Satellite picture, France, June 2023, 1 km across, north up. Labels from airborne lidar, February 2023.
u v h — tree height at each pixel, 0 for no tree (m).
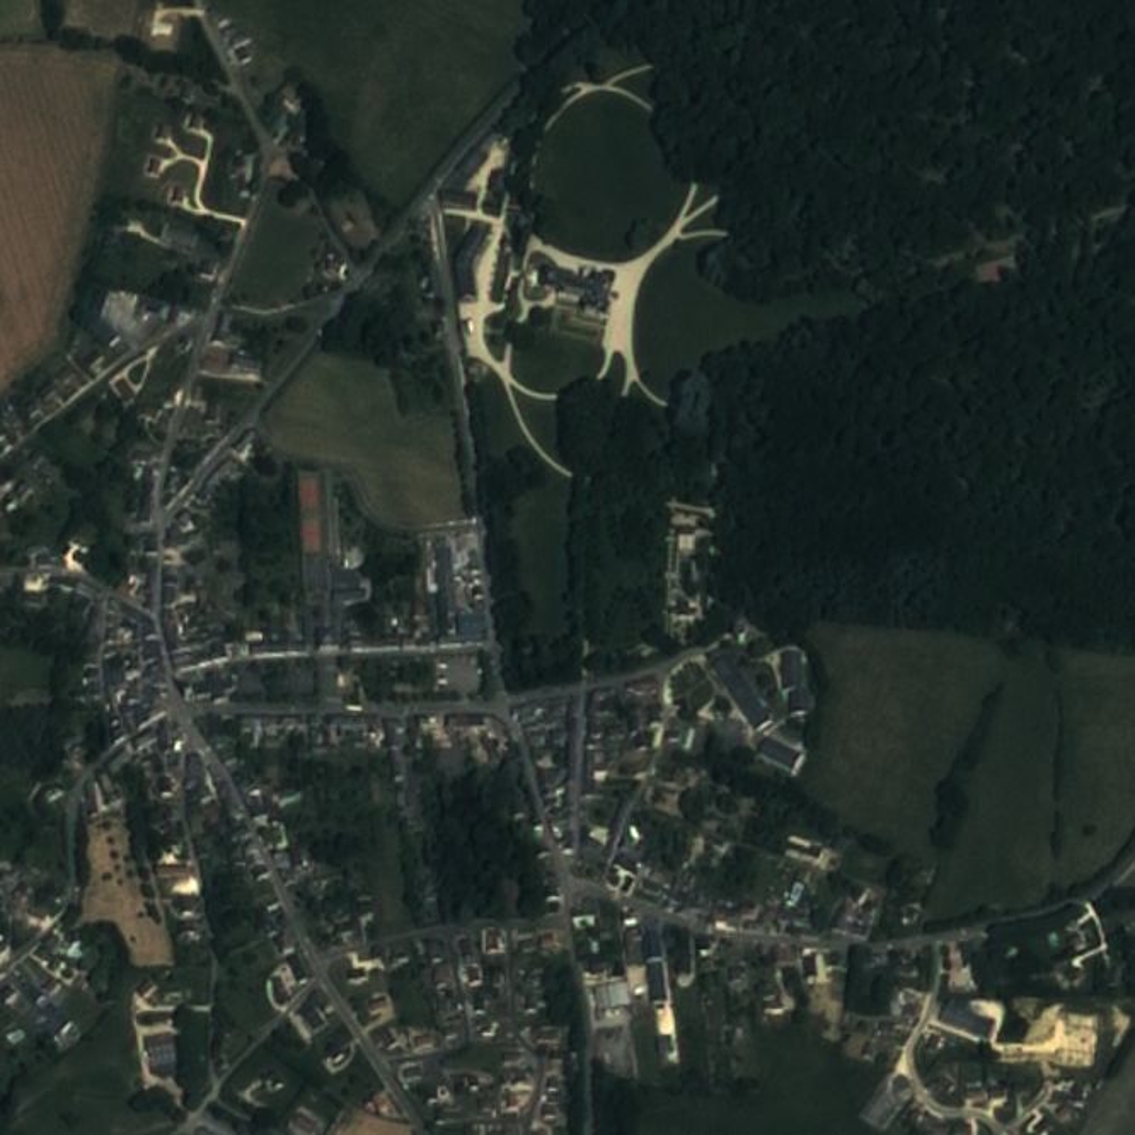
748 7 28
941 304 16
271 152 0
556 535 0
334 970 0
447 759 0
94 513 13
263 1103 0
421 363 6
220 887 11
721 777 7
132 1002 0
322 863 13
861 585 25
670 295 0
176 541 0
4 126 0
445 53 0
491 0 0
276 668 8
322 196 8
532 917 20
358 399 0
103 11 0
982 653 0
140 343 0
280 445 0
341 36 0
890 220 29
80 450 0
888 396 27
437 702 11
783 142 31
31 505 0
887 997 15
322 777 7
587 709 0
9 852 0
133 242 6
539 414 0
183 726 0
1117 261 30
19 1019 0
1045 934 12
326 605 0
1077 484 28
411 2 0
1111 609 19
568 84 15
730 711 11
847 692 0
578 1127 12
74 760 0
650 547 11
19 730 20
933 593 29
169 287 12
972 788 0
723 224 18
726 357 10
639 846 0
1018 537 29
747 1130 0
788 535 19
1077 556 20
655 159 0
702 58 28
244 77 0
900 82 22
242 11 0
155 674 0
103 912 0
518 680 17
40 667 0
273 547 8
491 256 0
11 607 9
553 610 0
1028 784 0
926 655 0
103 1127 0
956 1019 0
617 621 10
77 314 15
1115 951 11
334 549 0
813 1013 0
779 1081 0
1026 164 25
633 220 0
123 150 0
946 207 28
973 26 30
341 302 0
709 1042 0
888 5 33
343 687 0
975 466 29
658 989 0
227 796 0
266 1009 0
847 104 29
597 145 0
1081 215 27
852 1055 0
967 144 30
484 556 0
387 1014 0
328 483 0
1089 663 0
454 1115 0
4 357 0
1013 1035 7
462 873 21
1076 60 30
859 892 9
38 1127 0
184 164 0
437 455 0
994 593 20
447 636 0
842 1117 0
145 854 12
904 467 34
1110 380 28
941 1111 0
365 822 7
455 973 0
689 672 11
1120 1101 0
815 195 30
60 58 0
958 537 22
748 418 26
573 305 0
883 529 23
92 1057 0
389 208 9
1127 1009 0
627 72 0
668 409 0
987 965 13
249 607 9
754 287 21
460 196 0
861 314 0
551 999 11
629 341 0
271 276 0
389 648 0
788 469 23
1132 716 0
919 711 0
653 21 22
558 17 14
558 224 14
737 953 0
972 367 20
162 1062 0
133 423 13
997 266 0
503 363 0
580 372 0
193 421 0
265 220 0
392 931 0
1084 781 0
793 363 30
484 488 14
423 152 0
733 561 18
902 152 31
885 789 0
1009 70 31
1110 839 0
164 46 0
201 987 0
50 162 0
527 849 19
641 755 0
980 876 0
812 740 12
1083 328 34
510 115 14
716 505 20
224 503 8
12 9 0
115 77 0
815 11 31
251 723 0
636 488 16
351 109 0
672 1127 0
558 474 0
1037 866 0
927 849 0
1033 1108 0
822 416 25
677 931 6
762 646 12
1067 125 28
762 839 8
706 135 33
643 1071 0
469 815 21
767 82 26
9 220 0
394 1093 0
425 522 0
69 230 0
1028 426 26
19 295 0
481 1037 0
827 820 10
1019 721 0
